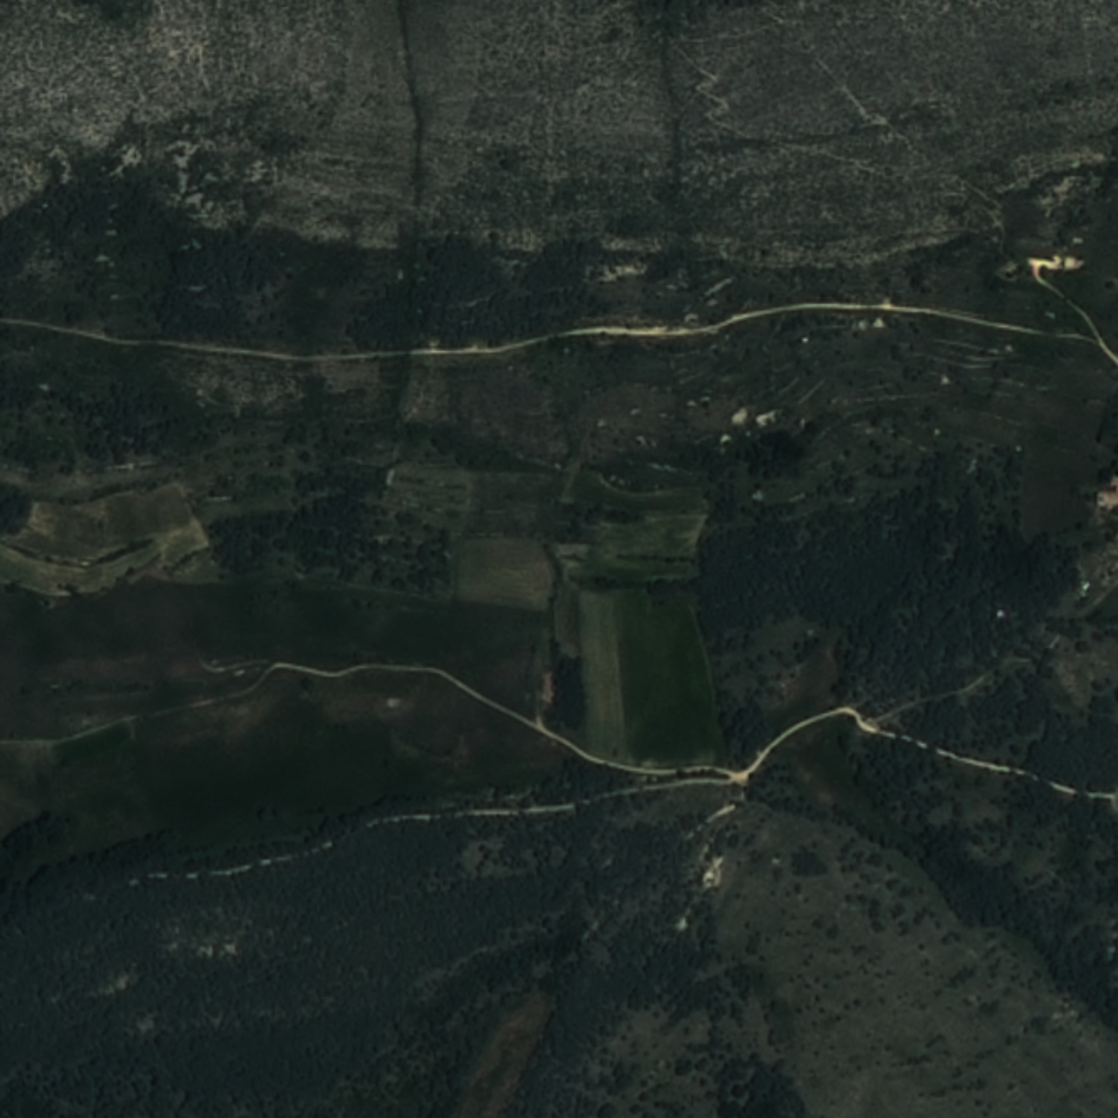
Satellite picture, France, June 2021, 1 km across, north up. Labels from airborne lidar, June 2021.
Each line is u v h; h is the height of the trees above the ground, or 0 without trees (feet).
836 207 0
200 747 0
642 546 0
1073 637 22
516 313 26
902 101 0
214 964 30
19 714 0
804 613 31
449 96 0
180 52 0
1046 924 24
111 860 31
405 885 22
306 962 20
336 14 0
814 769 0
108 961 22
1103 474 34
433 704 0
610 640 0
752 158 0
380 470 18
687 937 26
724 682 20
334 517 35
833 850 0
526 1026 0
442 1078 25
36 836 84
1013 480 21
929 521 35
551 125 0
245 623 0
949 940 22
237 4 0
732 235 0
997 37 0
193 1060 31
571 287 19
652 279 21
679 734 0
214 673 0
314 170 0
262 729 0
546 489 0
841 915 0
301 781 0
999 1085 0
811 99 0
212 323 27
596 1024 24
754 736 44
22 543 0
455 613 0
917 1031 0
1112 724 36
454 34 0
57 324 0
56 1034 29
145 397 22
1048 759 36
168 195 0
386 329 27
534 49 0
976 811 0
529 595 0
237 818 0
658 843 20
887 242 0
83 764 0
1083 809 27
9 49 0
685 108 0
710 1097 32
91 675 0
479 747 0
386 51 0
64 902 38
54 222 26
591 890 26
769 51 0
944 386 0
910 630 23
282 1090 41
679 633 0
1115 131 19
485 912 30
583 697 31
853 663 30
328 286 0
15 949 37
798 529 27
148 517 0
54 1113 19
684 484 0
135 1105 31
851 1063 0
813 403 0
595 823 29
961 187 0
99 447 34
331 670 0
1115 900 23
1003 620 23
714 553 31
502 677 0
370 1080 25
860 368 0
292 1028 21
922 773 32
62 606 0
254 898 18
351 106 0
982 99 0
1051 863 20
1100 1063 0
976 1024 0
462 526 0
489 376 0
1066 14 0
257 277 34
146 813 0
